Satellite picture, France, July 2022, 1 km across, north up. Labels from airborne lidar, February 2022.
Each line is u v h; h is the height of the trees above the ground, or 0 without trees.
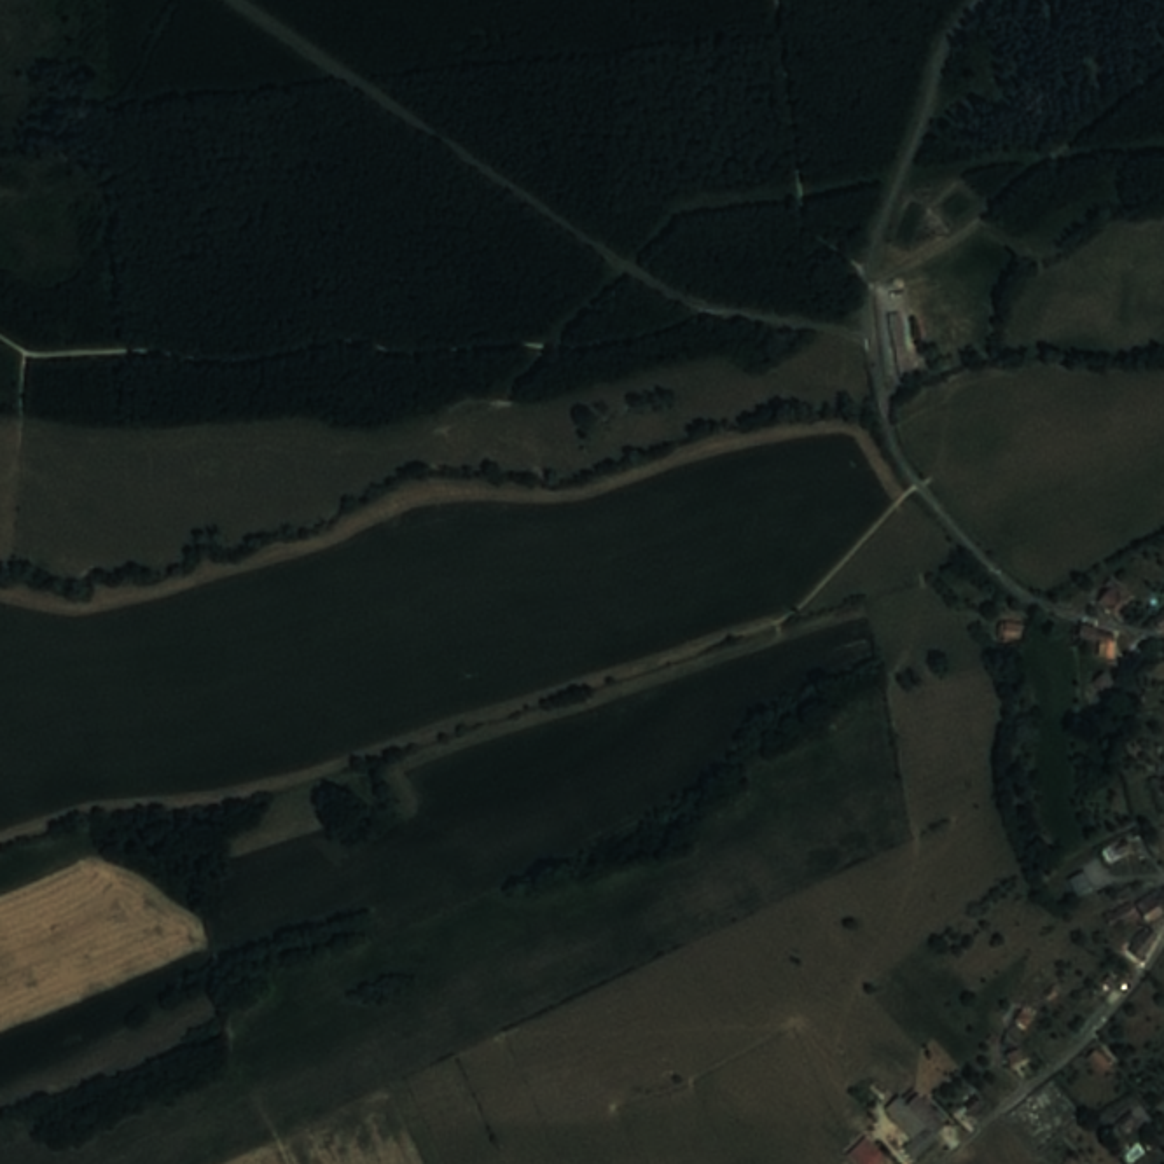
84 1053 0
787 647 0
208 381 20
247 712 0
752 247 16
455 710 0
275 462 0
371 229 19
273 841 0
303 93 15
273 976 12
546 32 8
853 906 0
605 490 0
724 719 0
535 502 0
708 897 0
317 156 18
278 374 21
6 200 0
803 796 0
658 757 0
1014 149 15
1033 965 0
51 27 0
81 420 6
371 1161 0
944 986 0
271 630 0
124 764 0
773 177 22
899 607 0
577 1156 0
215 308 20
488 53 7
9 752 0
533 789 0
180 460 0
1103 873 0
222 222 21
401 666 0
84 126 25
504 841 0
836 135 18
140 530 0
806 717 19
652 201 18
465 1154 0
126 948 0
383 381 17
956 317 0
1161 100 20
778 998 0
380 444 0
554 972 0
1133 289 0
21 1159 0
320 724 0
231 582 0
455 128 13
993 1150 0
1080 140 14
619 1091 0
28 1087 0
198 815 7
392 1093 0
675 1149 0
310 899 0
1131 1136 0
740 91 22
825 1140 0
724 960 0
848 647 0
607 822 0
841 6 15
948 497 0
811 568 0
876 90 17
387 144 19
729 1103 0
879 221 0
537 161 17
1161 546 11
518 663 0
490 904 0
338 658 0
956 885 0
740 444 0
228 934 0
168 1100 11
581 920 0
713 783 17
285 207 18
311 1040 0
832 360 0
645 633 0
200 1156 0
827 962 0
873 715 0
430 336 15
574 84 17
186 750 0
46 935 0
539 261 16
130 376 17
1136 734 17
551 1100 0
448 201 18
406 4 7
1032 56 19
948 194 0
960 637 0
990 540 0
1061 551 0
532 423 0
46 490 0
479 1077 0
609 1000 0
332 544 0
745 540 0
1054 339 0
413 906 0
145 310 19
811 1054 0
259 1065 0
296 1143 0
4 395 0
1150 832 11
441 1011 0
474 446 0
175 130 19
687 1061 0
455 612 0
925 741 0
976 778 0
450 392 14
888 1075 0
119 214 17
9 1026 0
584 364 19
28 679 0
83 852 0
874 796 0
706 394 0
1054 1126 0
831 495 0
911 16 15
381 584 0
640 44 11
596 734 0
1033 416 0
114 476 0
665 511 0
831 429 0
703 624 0
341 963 0
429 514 0
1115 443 0
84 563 0
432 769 0
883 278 0
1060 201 22
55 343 6
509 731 0
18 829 0
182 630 0
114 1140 0
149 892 0
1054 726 0
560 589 0
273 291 20
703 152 22
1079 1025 7
